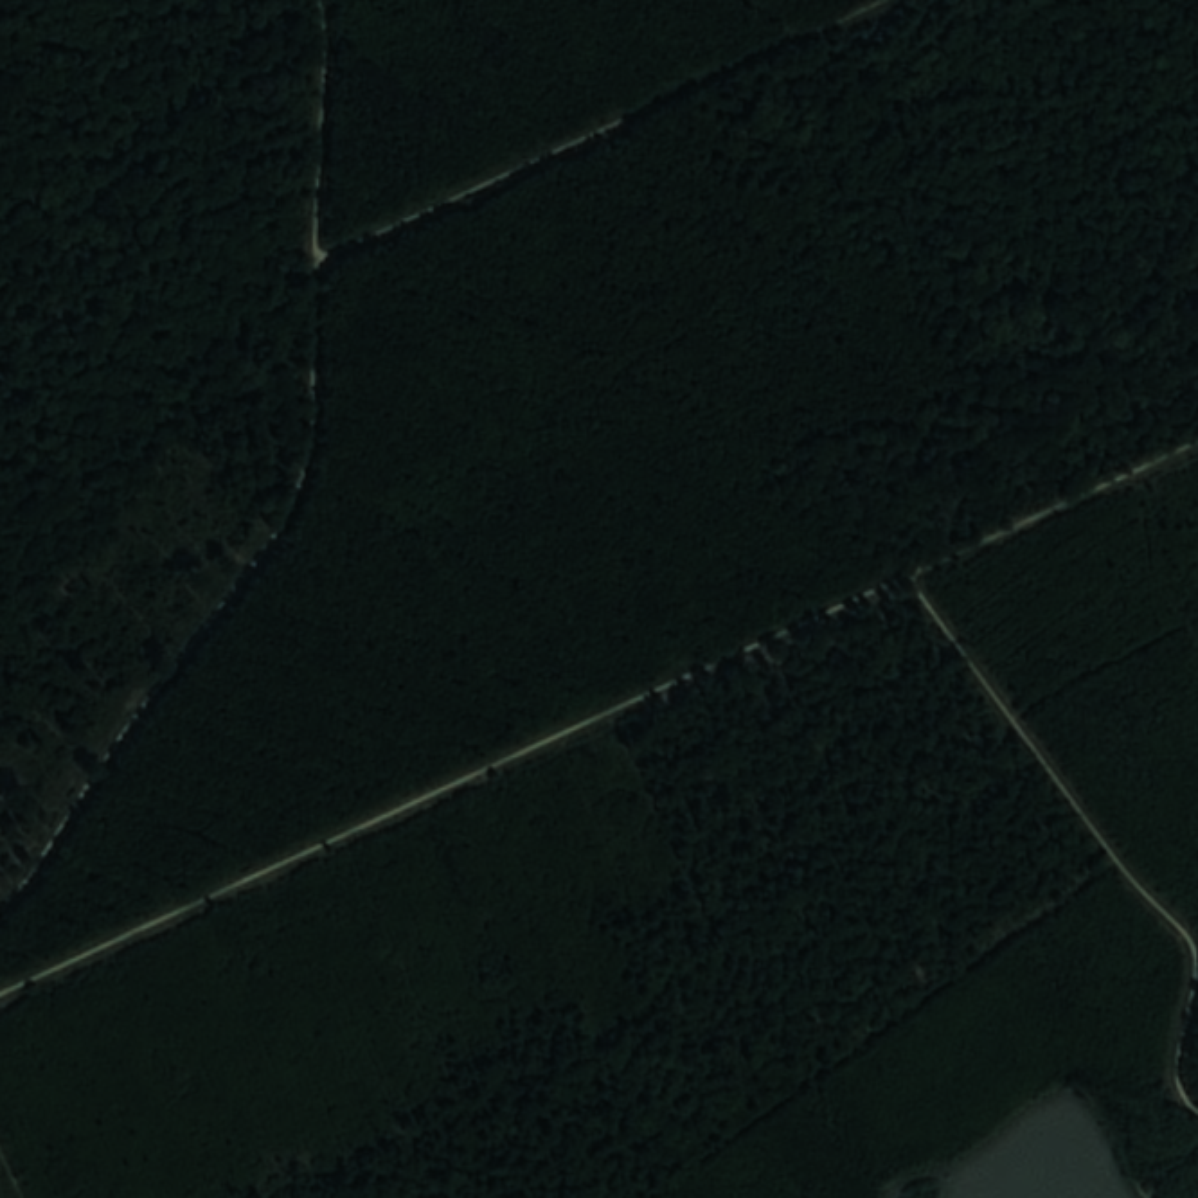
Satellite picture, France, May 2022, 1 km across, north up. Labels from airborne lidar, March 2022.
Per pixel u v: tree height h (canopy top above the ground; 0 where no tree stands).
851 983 23
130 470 29
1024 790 21
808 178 26
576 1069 25
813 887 24
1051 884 20
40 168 26
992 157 25
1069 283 29
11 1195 0
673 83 10
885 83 22
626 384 18
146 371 27
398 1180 16
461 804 9
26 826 7
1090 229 23
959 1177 0
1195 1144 15
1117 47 24
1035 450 33
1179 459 0
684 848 25
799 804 23
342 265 19
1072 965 10
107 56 26
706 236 22
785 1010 26
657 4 18
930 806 19
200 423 28
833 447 29
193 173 26
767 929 25
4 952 19
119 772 18
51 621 26
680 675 0
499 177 0
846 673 24
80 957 0
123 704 0
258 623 19
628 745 29
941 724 23
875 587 0
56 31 24
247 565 0
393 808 0
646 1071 20
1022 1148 0
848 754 27
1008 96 23
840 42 24
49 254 25
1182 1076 9
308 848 0
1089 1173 0
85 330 23
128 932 0
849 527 23
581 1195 23
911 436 30
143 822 17
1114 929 9
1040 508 7
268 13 29
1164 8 21
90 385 24
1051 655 8
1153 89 24
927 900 23
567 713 12
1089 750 10
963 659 23
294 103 29
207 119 27
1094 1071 9
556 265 15
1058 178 22
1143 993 8
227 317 25
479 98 18
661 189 19
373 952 6
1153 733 9
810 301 15
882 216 24
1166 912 0
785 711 28
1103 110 25
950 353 26
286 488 21
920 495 25
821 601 14
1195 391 25
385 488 21
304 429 25
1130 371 28
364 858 7
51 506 30
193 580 33
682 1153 18
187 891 14
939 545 24
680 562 0
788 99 15
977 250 29
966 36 25
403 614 19
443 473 14
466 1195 15
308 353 19
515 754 0
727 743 26
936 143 23
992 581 6
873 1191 12
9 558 24
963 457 28
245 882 0
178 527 0
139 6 25
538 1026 22
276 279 24
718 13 14
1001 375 28
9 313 10
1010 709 0
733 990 26
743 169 16
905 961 24
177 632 0
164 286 25
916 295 21
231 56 18
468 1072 20
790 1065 24
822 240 23
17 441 28
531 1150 22
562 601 17
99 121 27
